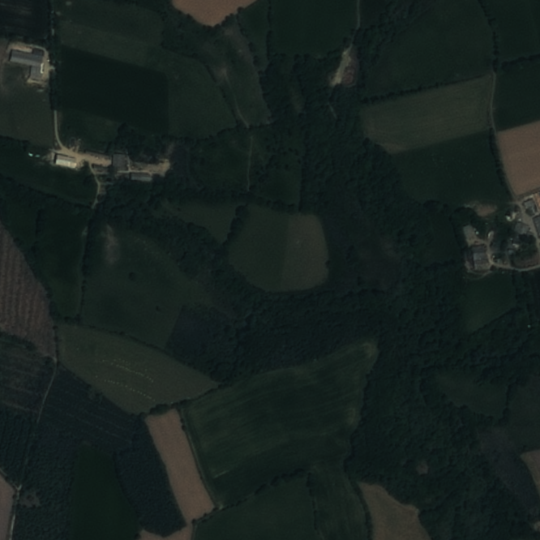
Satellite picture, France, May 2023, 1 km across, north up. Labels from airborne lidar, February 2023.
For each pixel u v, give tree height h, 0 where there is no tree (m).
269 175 14
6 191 19
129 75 0
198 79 0
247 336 19
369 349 0
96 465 0
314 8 0
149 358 0
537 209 0
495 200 0
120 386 0
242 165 0
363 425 14
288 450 0
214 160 0
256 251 0
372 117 0
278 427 0
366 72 12
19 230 0
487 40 0
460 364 16
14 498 7
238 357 11
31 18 0
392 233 15
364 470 8
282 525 0
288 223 0
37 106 0
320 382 0
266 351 7
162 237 13
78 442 13
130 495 17
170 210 0
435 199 0
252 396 0
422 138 0
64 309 0
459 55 0
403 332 17
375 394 17
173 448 0
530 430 0
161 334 0
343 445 0
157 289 0
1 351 0
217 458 0
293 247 0
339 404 0
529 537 17
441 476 15
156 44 0
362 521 0
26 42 16
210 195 10
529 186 0
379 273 0
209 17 0
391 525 0
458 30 0
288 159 0
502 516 19
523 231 0
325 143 16
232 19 9
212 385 0
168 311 0
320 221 0
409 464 14
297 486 0
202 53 0
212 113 0
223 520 0
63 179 0
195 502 0
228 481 0
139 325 0
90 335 0
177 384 0
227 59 0
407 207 20
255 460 0
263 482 0
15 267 21
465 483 13
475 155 0
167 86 0
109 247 0
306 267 0
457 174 0
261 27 0
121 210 19
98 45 0
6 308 25
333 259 0
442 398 12
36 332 21
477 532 7
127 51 0
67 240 0
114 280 0
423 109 0
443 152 0
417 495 9
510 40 0
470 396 0
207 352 8
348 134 7
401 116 0
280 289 0
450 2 0
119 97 0
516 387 13
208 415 0
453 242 0
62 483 7
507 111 0
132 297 0
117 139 6
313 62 14
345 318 11
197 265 9
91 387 12
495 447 0
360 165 15
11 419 14
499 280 0
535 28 0
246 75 0
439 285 24
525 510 8
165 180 10
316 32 0
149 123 0
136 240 0
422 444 16
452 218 11
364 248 0
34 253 17
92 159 0
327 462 0
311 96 16
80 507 0
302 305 16
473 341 8
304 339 7
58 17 12
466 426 12
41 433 14
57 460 14
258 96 0
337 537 0
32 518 9
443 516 11
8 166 0
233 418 0
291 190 0
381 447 17
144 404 0
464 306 0
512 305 0
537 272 0
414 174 0
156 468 20
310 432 0
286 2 0
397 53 0
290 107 17
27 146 17
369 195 9
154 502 18
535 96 0
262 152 0
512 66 14
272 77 17
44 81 0
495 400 0
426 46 0
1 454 17
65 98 0
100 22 0
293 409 0
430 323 8
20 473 17
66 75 0
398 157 0
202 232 16
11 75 0
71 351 0
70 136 0
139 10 0
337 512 0
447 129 0
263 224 0
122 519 0
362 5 0
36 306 21
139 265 0
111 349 0
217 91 0
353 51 0
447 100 0
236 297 8
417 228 23
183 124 0
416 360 17
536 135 0
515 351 13
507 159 0
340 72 0
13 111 0
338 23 0
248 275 0
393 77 0
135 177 0
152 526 17
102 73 0
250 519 0
